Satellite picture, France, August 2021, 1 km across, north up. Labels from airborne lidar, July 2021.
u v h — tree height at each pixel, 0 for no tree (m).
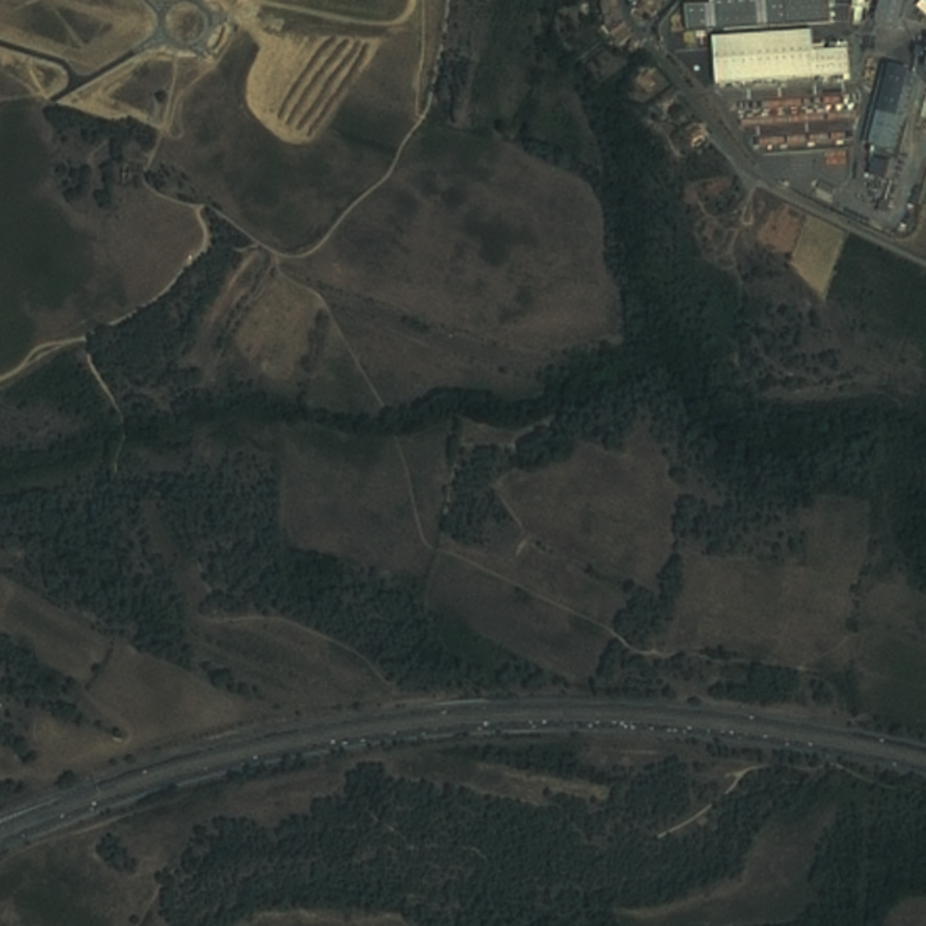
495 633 0
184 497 18
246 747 0
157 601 13
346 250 0
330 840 12
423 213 0
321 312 7
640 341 11
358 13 0
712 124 0
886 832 8
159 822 0
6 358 0
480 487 10
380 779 12
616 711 0
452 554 0
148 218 0
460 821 11
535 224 0
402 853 9
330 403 0
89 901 0
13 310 0
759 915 0
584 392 22
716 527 17
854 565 0
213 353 0
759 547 6
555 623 0
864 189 0
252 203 0
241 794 0
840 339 0
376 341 0
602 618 0
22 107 0
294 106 0
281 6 0
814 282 0
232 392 10
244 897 14
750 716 0
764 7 0
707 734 0
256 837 13
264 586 12
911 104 0
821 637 0
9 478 7
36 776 0
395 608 18
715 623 0
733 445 14
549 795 12
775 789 12
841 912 20
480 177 0
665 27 0
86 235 0
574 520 0
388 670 14
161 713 0
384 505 0
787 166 0
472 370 0
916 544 11
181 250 0
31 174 0
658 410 18
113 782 0
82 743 0
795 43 0
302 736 0
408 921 14
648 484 0
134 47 0
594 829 11
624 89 11
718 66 0
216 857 10
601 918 10
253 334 0
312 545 0
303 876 10
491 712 0
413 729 0
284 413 14
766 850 0
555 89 0
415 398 0
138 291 0
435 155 0
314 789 0
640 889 12
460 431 8
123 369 12
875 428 16
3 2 0
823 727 0
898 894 16
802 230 0
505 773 0
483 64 6
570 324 0
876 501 8
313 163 0
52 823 0
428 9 0
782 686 14
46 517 22
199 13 0
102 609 15
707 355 8
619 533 0
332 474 0
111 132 15
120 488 16
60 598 13
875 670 0
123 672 0
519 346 0
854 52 0
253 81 0
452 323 0
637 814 10
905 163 0
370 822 6
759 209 0
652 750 0
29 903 0
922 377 0
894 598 0
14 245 0
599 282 0
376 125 0
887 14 0
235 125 0
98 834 0
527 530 0
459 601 0
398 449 0
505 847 9
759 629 0
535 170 0
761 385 7
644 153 7
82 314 0
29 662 16
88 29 0
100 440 14
